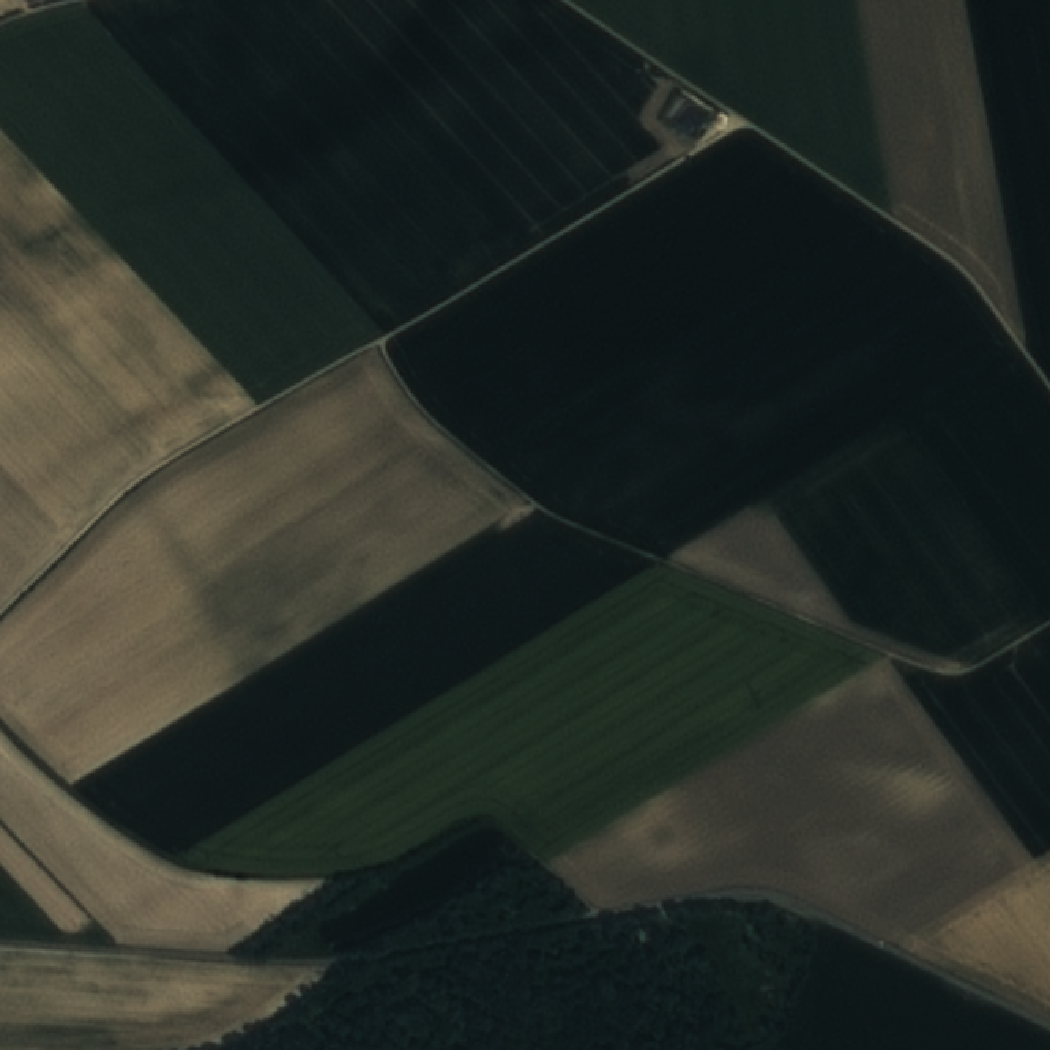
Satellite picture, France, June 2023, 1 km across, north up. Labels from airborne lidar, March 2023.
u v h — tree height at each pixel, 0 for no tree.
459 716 0
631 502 0
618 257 0
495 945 9
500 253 0
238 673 0
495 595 0
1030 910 0
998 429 0
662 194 0
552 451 0
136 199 0
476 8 0
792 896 0
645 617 0
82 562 0
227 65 0
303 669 0
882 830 0
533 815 0
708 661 0
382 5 0
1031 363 0
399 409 0
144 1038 0
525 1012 25
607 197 0
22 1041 0
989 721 0
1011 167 0
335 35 0
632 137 0
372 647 0
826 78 0
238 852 0
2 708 0
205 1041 0
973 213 0
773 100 0
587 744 0
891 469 0
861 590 0
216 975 0
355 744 0
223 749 0
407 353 0
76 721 0
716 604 0
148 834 0
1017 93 0
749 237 0
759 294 0
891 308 0
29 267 0
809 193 0
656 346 0
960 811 0
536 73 0
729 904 9
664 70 0
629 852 0
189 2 0
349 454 0
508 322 0
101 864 0
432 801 0
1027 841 0
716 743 0
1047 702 0
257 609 0
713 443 0
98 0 0
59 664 0
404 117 0
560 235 0
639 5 0
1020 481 0
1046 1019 0
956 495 0
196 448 0
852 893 0
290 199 0
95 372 0
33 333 0
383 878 12
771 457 0
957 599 0
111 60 0
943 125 0
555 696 0
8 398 0
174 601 0
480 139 0
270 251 0
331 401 0
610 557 0
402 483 0
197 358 0
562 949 15
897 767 0
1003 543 0
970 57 0
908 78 0
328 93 0
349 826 0
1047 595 0
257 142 0
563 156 0
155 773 0
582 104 0
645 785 0
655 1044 13
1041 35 0
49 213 0
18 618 0
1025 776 0
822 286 0
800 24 0
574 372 0
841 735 0
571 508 0
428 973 17
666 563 0
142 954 0
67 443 0
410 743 0
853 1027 0
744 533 0
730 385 0
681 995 19
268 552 0
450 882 0
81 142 0
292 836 0
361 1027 24
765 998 0
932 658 0
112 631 0
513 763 0
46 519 0
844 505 0
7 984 0
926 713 0
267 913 0
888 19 0
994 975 0
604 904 0
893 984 0
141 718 0
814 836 0
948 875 0
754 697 0
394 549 0
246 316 0
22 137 0
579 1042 26
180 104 0
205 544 0
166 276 0
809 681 0
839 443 0
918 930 0
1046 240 0
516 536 0
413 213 0
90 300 0
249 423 0
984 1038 0
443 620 0
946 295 0
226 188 0
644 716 0
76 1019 0
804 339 0
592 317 0
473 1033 24
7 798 0
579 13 0
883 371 0
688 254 0
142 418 0
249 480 0
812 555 0
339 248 0
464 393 0
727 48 0
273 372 0
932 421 0
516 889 8
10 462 0
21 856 0
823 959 0
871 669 0
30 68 0
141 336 0
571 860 0
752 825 0
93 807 0
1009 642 0
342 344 0
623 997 22
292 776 0
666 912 13
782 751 0
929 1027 0
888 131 0
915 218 0
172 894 0
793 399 0
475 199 0
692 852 0
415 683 0
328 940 0
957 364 0
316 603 0
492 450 0
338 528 0
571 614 0
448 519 0
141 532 0
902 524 0
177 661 0
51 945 0
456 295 0
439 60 0
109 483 0
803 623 0
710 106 0
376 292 0
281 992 0
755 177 0
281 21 0
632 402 0
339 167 0
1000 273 0
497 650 0
